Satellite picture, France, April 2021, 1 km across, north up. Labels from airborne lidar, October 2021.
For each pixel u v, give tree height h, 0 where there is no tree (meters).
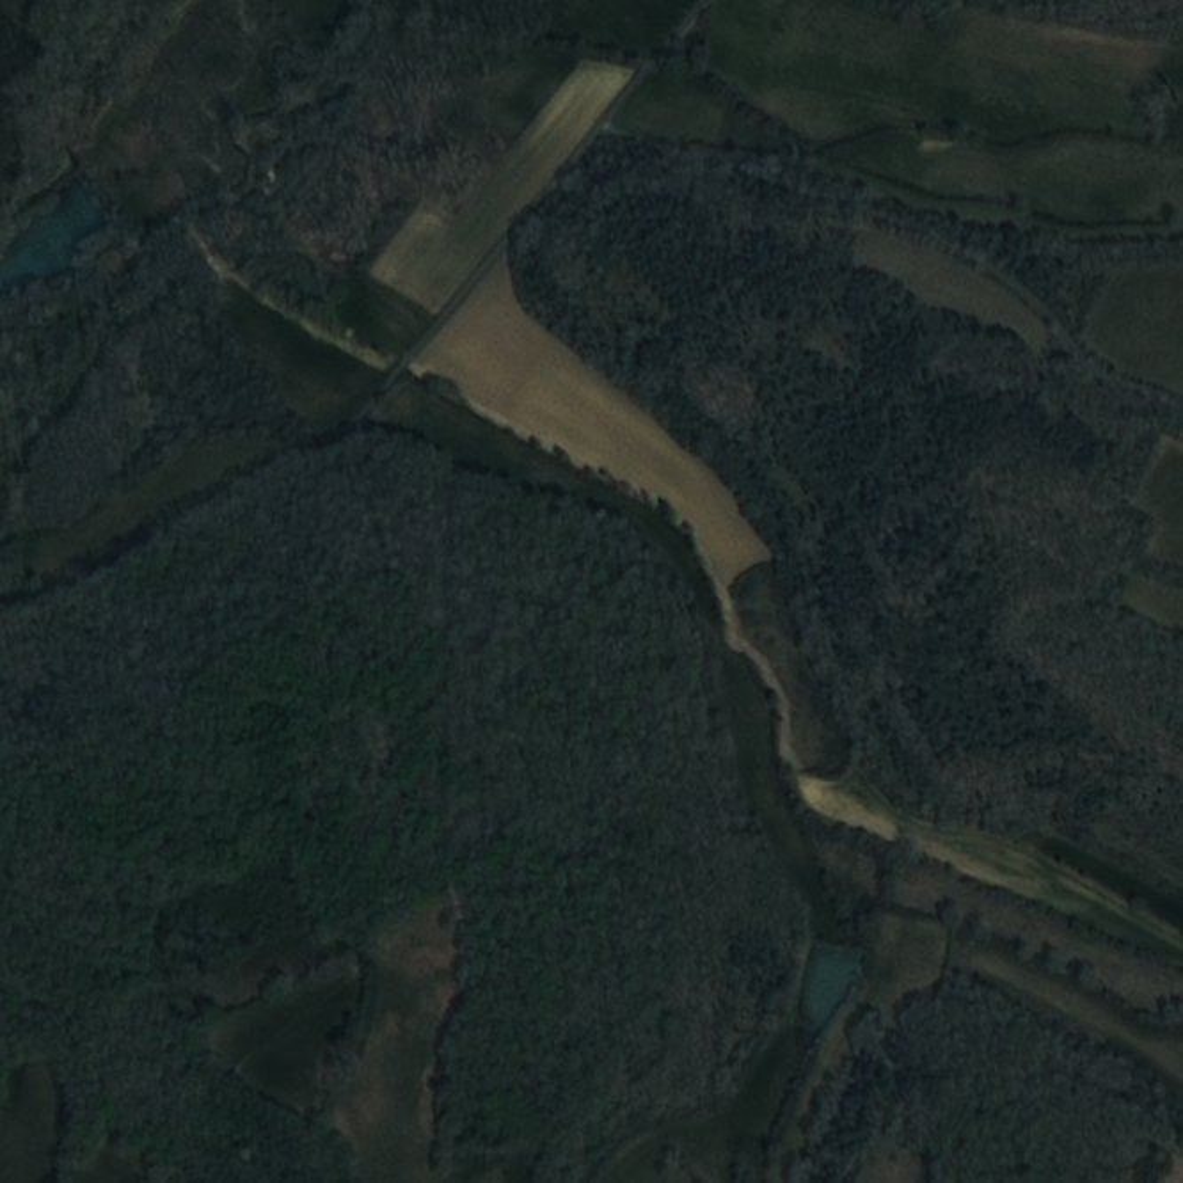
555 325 6
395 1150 0
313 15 0
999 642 14
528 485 0
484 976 18
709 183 10
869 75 0
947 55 0
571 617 22
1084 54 0
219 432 9
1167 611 0
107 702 20
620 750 24
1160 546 0
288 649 25
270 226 14
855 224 16
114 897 23
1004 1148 28
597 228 10
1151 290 0
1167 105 29
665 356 15
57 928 26
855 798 0
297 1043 0
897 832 0
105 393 20
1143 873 11
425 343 0
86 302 21
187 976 23
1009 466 12
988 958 0
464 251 0
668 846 27
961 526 10
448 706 23
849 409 9
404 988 0
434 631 24
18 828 22
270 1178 28
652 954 25
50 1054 25
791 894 18
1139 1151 19
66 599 23
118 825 24
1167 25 18
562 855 22
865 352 8
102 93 24
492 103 0
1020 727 6
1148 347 0
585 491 0
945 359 13
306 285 15
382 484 18
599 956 24
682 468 0
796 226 12
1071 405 11
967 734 11
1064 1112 24
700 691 20
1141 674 19
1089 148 0
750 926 24
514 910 23
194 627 21
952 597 10
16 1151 0
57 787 24
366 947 21
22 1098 0
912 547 19
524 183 0
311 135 20
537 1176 14
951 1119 25
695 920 23
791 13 0
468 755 19
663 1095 18
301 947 8
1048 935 0
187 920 16
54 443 22
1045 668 16
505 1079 23
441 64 27
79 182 8
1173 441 10
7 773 25
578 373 0
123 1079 22
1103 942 7
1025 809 10
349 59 12
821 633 13
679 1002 22
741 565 0
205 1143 25
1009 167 0
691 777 24
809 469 6
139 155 0
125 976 18
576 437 0
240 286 18
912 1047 15
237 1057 0
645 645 23
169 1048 23
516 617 25
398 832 22
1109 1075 23
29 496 13
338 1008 0
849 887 0
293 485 16
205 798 20
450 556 18
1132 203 0
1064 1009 0
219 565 21
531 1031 22
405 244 0
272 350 0
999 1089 27
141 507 0
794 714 0
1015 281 7
